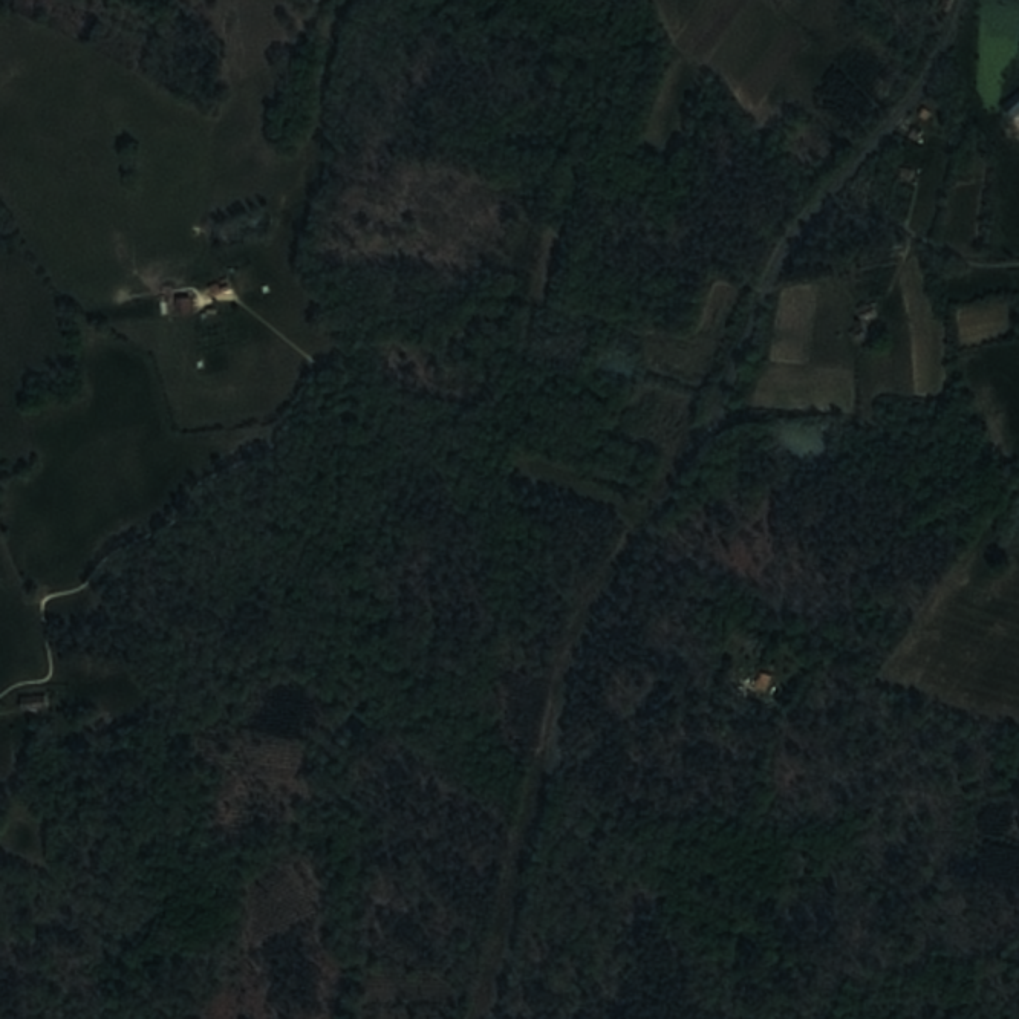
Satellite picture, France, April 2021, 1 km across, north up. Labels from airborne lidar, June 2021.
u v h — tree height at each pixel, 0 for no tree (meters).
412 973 17
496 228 0
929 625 0
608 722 18
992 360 0
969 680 0
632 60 20
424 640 22
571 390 19
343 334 26
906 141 6
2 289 0
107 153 0
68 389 18
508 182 20
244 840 11
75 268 0
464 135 22
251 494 23
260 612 27
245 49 0
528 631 29
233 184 0
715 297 0
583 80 11
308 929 7
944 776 16
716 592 22
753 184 21
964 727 19
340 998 8
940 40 12
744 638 9
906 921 28
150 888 23
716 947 21
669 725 19
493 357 22
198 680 24
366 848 14
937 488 20
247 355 0
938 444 17
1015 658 0
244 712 22
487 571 28
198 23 11
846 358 0
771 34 0
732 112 19
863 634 14
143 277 0
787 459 13
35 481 0
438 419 17
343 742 28
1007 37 0
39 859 0
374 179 7
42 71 0
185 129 0
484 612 20
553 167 26
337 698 21
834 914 12
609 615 19
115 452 0
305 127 25
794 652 18
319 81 21
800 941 29
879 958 13
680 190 24
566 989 18
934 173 0
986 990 17
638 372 7
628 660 16
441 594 28
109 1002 21
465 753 24
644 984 20
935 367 0
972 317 0
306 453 24
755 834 21
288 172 0
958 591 0
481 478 21
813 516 23
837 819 13
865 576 15
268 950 10
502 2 15
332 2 13
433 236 0
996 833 9
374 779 17
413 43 14
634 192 16
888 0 19
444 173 14
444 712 29
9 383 0
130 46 6
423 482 23
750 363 20
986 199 8
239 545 23
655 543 17
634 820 22
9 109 0
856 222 13
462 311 25
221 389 0
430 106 18
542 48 26
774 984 21
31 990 21
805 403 0
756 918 23
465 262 0
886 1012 17
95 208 0
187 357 0
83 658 20
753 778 18
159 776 22
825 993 15
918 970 15
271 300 0
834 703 16
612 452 20
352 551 23
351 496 34
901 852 10
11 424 0
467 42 17
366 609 27
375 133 14
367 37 23
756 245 22
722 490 17
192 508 25
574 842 25
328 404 17
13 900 17
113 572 18
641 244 22
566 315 17
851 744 17
